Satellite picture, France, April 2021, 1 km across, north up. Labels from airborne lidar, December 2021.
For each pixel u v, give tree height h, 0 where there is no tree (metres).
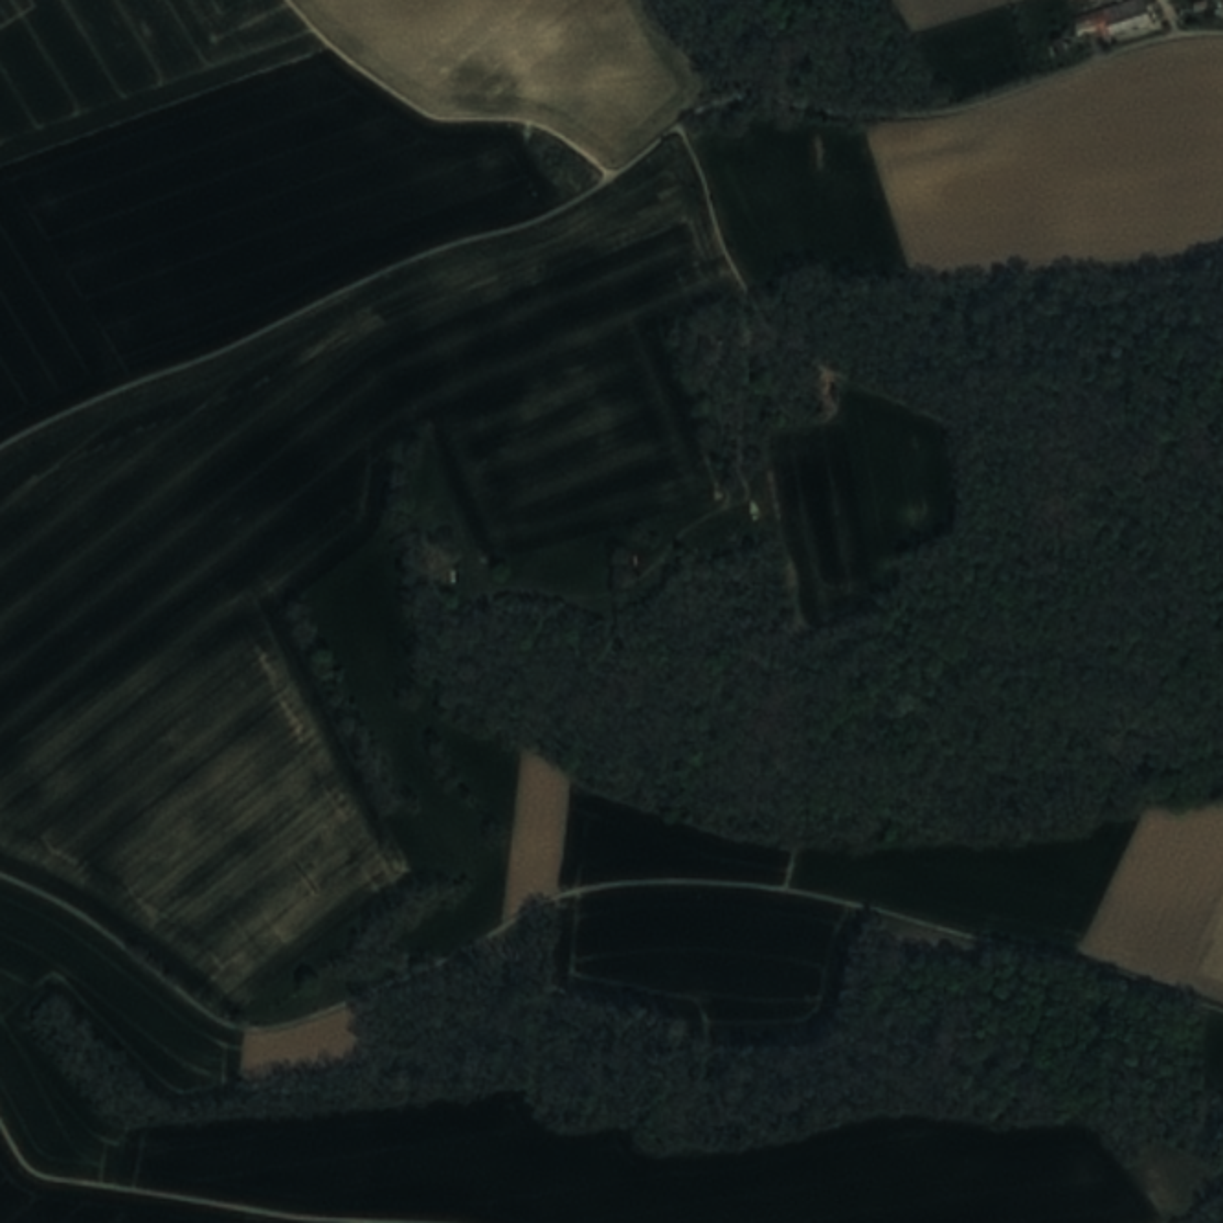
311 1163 0
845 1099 14
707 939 0
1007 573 21
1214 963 0
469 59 0
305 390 0
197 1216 0
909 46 24
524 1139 0
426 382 0
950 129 0
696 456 0
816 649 18
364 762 19
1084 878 0
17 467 0
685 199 0
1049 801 29
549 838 0
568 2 0
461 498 0
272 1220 0
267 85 0
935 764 24
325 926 0
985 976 21
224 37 0
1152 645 20
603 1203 0
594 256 0
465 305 0
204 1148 0
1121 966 0
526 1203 0
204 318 0
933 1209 0
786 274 18
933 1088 22
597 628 18
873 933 15
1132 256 0
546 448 0
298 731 0
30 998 0
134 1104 19
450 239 0
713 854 0
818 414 10
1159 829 0
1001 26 0
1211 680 19
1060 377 19
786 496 0
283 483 0
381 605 0
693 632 18
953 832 24
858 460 0
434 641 15
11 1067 0
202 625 0
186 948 0
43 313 0
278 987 0
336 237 0
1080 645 20
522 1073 24
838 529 0
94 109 0
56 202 0
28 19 0
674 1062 26
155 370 0
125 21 0
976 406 22
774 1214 0
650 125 0
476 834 0
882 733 17
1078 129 0
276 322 0
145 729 0
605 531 0
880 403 0
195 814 0
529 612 20
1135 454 20
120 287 0
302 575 0
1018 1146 0
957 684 24
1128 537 20
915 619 21
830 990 0
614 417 0
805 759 17
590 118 0
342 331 0
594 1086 27
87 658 0
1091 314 13
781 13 20
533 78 0
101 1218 0
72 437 0
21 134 0
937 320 14
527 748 23
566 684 23
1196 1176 0
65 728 0
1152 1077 25
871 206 0
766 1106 14
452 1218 0
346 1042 0
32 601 0
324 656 21
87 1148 0
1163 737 23
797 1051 25
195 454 0
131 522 0
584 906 0
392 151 0
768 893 0
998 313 17
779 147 0
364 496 0
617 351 0
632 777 21
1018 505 24
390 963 21
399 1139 0
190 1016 0
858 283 27
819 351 22
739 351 17
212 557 0
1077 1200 0
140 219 0
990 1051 17
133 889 0
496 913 0
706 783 22
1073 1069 21
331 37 0
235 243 0
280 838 0
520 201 0
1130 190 0
